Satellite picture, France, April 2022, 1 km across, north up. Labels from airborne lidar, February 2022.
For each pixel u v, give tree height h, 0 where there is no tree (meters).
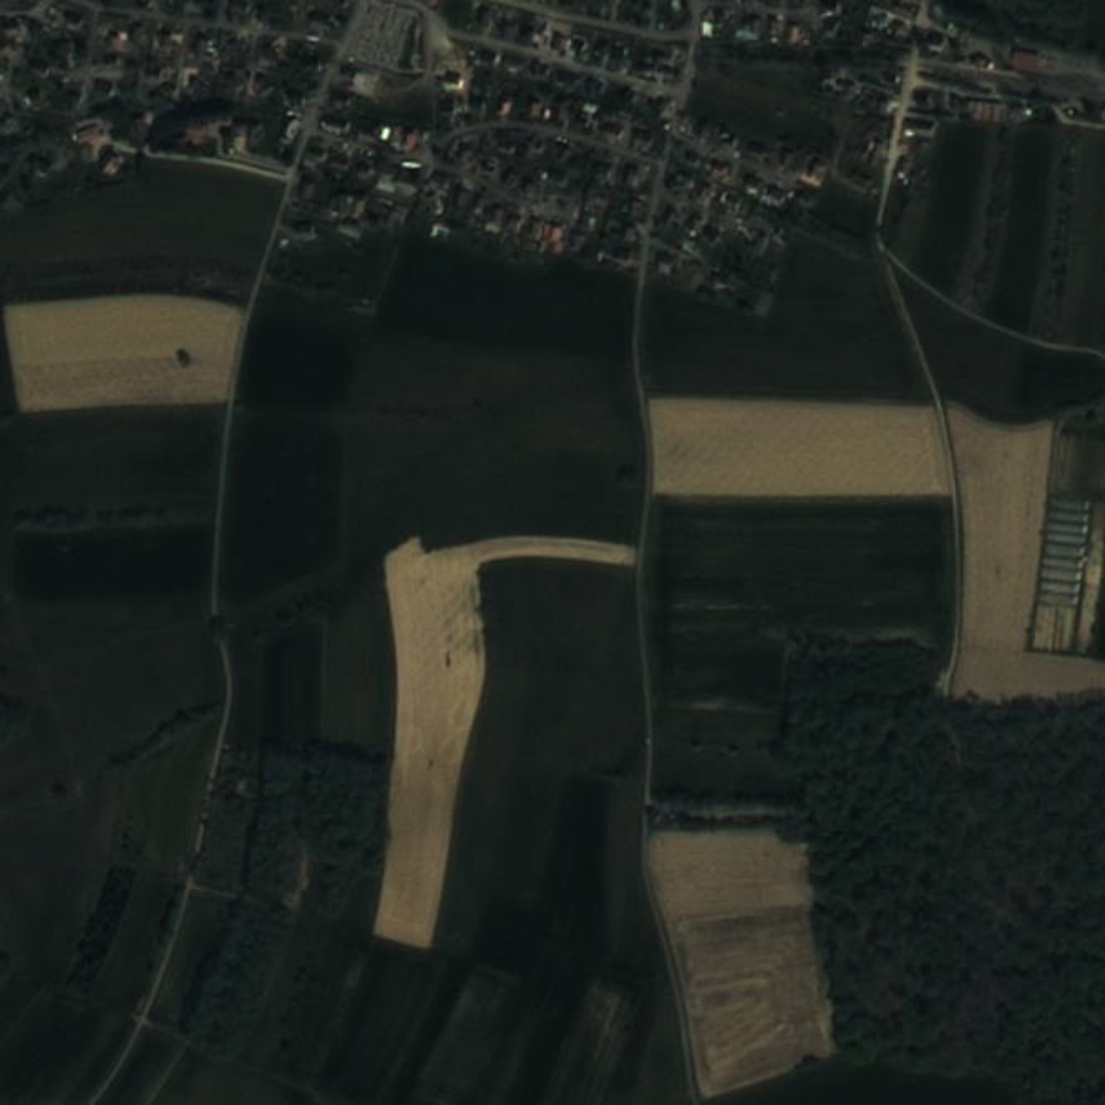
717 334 0
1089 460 0
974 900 21
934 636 0
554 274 0
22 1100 0
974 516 0
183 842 0
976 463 0
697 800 13
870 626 0
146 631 0
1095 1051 26
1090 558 0
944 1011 26
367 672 0
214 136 0
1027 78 0
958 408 0
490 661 0
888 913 25
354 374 0
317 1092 0
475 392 0
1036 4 17
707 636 0
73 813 0
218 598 0
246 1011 27
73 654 0
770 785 0
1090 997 14
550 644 0
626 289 0
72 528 14
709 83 0
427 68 0
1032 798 26
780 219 6
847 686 15
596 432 0
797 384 0
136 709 0
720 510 0
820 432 0
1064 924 30
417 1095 0
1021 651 0
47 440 0
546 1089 0
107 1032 0
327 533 0
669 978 0
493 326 0
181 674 0
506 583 0
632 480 15
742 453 0
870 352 0
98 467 0
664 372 0
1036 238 0
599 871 0
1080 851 24
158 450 0
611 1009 0
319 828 25
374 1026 0
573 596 0
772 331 0
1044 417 0
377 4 0
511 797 0
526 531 0
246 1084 0
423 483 0
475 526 0
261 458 0
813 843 19
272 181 0
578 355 0
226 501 0
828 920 18
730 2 0
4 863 0
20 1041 0
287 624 11
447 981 0
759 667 0
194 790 0
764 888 0
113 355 0
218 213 0
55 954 0
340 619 0
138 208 0
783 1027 0
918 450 0
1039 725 25
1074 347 0
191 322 0
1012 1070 25
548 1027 0
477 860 0
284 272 7
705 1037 0
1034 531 0
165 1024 0
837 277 0
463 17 0
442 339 0
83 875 0
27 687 0
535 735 0
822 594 0
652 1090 0
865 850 14
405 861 0
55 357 0
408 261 0
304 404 0
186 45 0
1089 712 23
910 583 0
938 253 0
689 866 0
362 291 0
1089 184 0
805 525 0
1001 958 21
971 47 0
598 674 0
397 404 0
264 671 0
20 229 0
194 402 0
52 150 0
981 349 0
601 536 0
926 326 0
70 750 0
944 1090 0
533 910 0
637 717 0
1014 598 0
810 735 24
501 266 0
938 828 27
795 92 0
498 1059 0
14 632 0
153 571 0
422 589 0
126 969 0
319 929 0
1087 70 0
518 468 0
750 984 0
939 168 0
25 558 0
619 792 0
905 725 25
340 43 0
